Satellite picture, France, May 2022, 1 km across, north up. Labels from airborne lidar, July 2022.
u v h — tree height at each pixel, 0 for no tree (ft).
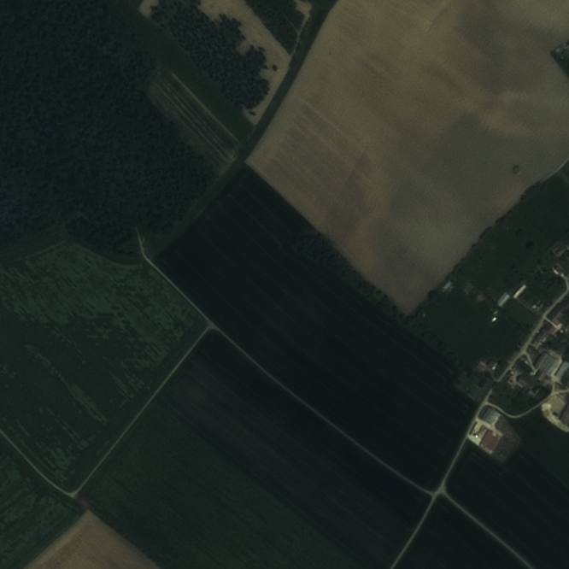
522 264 0
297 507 0
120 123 45
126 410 0
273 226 0
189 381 0
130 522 0
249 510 0
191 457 0
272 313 0
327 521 0
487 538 0
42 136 96
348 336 0
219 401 0
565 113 0
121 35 75
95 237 72
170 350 0
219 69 41
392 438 0
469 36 0
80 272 0
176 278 0
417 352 0
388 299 51
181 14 31
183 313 0
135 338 0
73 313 0
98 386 0
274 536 0
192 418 0
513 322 23
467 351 0
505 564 0
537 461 0
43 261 0
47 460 0
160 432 0
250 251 0
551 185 0
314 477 0
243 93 47
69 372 0
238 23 24
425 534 0
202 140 0
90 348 0
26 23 86
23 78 84
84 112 83
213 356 0
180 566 0
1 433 0
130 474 0
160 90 0
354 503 0
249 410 0
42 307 0
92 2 80
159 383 0
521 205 0
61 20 76
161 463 0
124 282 0
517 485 0
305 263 0
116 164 104
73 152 109
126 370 0
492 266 0
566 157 0
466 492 0
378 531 0
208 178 52
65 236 0
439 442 0
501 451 0
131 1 0
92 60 85
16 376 0
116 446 0
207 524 0
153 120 97
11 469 0
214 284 0
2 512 0
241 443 0
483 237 22
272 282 0
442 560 0
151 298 0
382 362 0
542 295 0
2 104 81
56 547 0
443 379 0
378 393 0
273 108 0
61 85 89
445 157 0
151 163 62
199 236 0
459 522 0
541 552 0
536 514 0
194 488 0
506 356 0
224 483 0
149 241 0
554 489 0
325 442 0
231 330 0
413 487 0
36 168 93
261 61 32
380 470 0
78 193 104
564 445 0
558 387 0
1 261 0
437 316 0
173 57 0
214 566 0
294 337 0
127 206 100
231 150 0
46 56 104
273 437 0
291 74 0
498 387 38
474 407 0
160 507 0
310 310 0
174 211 55
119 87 65
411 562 0
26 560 0
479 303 0
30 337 0
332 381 0
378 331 0
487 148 0
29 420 0
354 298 0
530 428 0
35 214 77
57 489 0
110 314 0
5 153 97
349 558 0
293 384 0
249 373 0
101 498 0
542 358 0
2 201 97
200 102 0
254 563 0
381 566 0
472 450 0
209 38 43
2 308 0
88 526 0
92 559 0
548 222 0
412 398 0
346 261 41
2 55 74
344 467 0
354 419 0
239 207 0
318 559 0
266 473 0
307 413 0
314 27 0
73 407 0
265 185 0
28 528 0
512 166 0
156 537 0
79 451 0
